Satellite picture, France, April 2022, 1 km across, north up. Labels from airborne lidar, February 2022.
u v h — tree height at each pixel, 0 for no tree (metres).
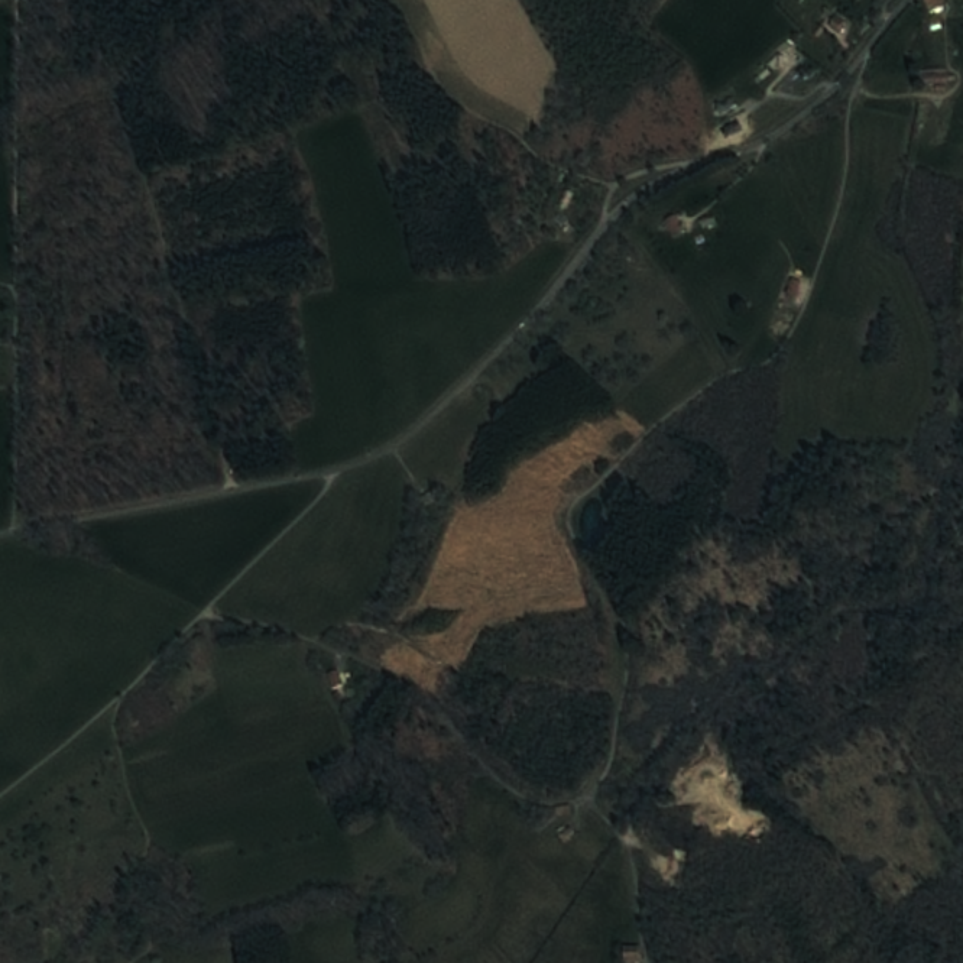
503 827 0
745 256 0
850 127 0
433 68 0
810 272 0
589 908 0
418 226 17
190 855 0
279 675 0
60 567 0
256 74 26
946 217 8
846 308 0
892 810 0
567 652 12
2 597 0
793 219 0
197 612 0
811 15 0
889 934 11
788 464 7
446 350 0
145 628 0
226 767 0
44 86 24
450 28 0
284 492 0
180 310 29
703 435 6
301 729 0
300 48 24
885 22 0
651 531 27
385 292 0
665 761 16
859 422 0
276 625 0
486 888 0
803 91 0
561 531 0
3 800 0
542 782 12
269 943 29
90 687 0
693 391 0
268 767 0
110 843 0
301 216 11
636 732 6
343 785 27
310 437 0
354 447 0
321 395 0
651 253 0
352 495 0
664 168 0
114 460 7
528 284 0
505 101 0
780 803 17
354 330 0
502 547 0
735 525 19
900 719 6
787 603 20
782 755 12
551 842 0
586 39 10
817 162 0
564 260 0
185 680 0
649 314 0
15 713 0
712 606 12
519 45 0
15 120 26
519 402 12
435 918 0
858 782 0
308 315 0
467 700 12
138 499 27
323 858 0
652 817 17
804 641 13
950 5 0
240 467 29
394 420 0
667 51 8
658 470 8
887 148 0
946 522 18
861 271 0
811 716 18
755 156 0
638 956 0
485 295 0
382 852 0
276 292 14
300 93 26
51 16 29
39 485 26
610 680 0
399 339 0
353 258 0
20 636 0
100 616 0
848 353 0
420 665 0
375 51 30
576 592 0
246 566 0
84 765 0
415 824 25
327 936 0
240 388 35
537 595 0
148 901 22
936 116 0
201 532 0
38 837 6
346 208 0
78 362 6
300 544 0
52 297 9
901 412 0
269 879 0
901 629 22
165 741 0
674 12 0
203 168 8
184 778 0
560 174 6
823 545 14
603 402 11
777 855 6
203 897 16
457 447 0
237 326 11
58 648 0
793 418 0
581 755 18
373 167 0
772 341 0
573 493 0
